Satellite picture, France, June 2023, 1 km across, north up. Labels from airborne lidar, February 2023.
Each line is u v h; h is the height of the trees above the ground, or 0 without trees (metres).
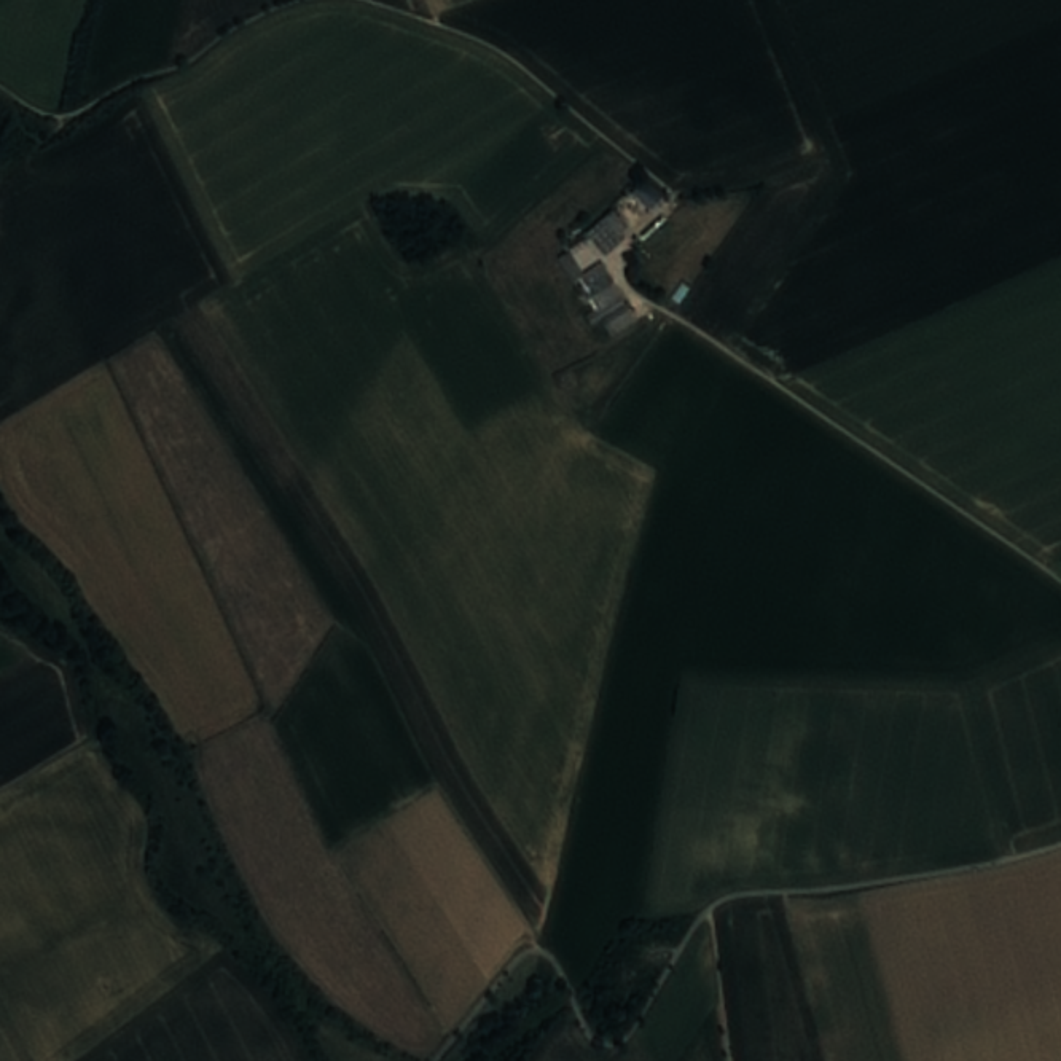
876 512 0
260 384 0
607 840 0
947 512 0
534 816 0
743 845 0
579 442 0
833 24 0
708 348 0
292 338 0
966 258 0
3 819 0
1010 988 0
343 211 0
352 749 0
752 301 0
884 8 0
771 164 0
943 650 0
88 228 0
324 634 0
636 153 0
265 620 0
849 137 0
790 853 0
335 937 0
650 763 0
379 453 0
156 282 0
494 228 0
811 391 0
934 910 0
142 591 0
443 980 0
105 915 0
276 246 0
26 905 0
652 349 0
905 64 0
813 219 0
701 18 0
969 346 0
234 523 0
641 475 0
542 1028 6
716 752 0
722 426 0
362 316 0
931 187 0
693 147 0
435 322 0
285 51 0
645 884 0
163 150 0
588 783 0
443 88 0
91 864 0
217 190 0
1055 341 0
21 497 0
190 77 0
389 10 0
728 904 0
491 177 0
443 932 0
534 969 0
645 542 0
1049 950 0
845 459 0
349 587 0
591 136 0
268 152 0
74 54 6
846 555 0
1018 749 0
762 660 0
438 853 0
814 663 0
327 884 0
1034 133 0
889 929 0
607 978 0
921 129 0
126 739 0
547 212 0
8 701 0
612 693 0
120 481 0
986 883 0
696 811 0
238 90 0
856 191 0
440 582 0
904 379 0
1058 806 0
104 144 0
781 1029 0
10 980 0
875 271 0
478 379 0
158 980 0
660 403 0
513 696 0
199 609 0
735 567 0
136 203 0
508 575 0
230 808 0
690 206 0
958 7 0
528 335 0
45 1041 0
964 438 0
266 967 8
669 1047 0
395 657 0
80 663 13
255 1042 0
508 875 0
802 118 0
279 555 0
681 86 0
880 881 0
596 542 0
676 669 0
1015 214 0
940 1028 0
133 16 0
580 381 0
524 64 0
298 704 0
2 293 0
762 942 0
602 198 0
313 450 0
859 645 0
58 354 0
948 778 0
